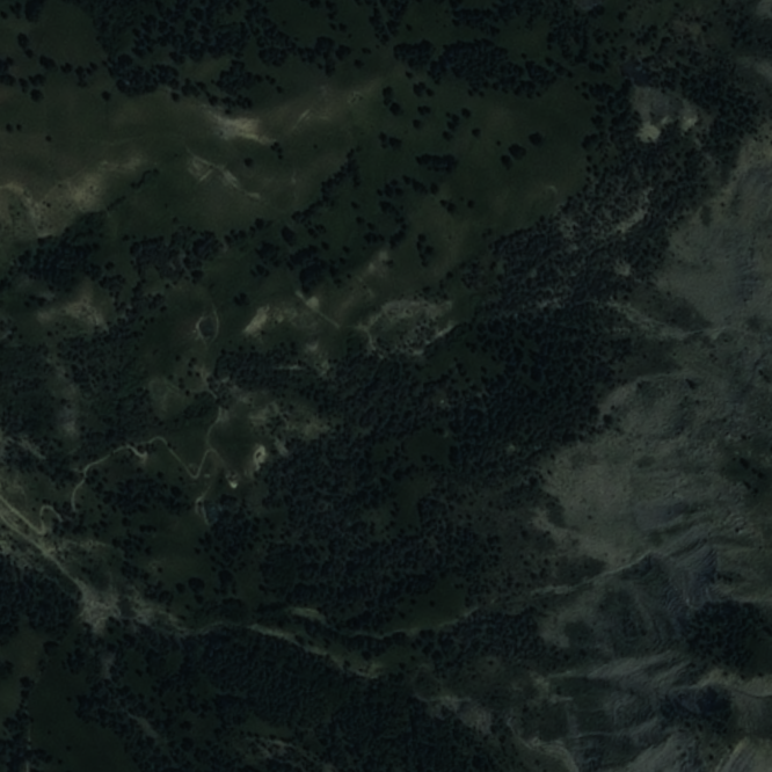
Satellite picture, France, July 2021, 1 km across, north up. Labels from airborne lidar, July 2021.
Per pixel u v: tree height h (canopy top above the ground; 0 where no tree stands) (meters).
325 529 16
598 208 7
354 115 0
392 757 7
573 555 0
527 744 0
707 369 0
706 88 10
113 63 11
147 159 0
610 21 0
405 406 8
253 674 24
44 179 0
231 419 0
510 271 10
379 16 16
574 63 9
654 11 0
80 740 0
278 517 0
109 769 0
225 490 0
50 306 0
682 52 13
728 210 0
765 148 0
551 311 13
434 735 13
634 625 0
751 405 0
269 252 18
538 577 8
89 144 0
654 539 0
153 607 0
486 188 0
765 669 0
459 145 0
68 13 0
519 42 0
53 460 15
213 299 0
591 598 0
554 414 9
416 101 0
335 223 0
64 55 0
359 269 0
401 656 0
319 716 8
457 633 12
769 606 0
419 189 12
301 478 10
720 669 0
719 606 7
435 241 0
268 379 9
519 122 0
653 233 14
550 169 0
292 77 0
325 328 0
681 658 0
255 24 13
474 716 0
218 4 14
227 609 11
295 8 0
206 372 0
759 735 0
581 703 0
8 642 7
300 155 0
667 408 0
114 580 0
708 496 0
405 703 7
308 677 16
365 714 20
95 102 0
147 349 0
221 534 14
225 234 0
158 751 16
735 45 9
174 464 0
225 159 0
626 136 10
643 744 0
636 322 0
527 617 7
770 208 0
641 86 0
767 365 0
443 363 0
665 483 0
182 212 0
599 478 0
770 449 0
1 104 0
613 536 0
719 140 13
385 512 0
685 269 0
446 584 0
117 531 0
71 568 0
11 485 0
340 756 16
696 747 0
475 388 14
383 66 0
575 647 0
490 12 11
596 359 14
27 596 23
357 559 20
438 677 7
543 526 0
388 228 0
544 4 9
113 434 12
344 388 8
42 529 0
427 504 15
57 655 11
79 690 0
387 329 0
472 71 18
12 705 0
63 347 6
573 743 0
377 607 17
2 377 10
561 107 0
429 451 0
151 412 7
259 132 0
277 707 24
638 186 9
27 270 13
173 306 0
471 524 8
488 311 10
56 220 0
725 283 0
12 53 0
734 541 0
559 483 0
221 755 11
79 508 10
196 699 17
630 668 0
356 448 11
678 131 7
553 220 7
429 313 0
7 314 0
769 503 0
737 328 0
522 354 26
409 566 12
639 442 0
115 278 9
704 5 0
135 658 0
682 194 10
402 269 0
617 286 8
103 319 0
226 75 12
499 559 11
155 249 18
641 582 0
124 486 12
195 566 0
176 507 25
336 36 0
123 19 9
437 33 0
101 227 7
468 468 19
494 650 12
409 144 0
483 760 16
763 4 0
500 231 0
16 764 16
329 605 16
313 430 0
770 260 0
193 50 20
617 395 0
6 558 6
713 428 0
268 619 11
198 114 0
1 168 0
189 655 10
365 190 0
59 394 0
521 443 12
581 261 7
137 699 17
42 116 0
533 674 0
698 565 0
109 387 11
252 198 0
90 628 17
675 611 0
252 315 0
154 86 10
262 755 6
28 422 11
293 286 0
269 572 19
